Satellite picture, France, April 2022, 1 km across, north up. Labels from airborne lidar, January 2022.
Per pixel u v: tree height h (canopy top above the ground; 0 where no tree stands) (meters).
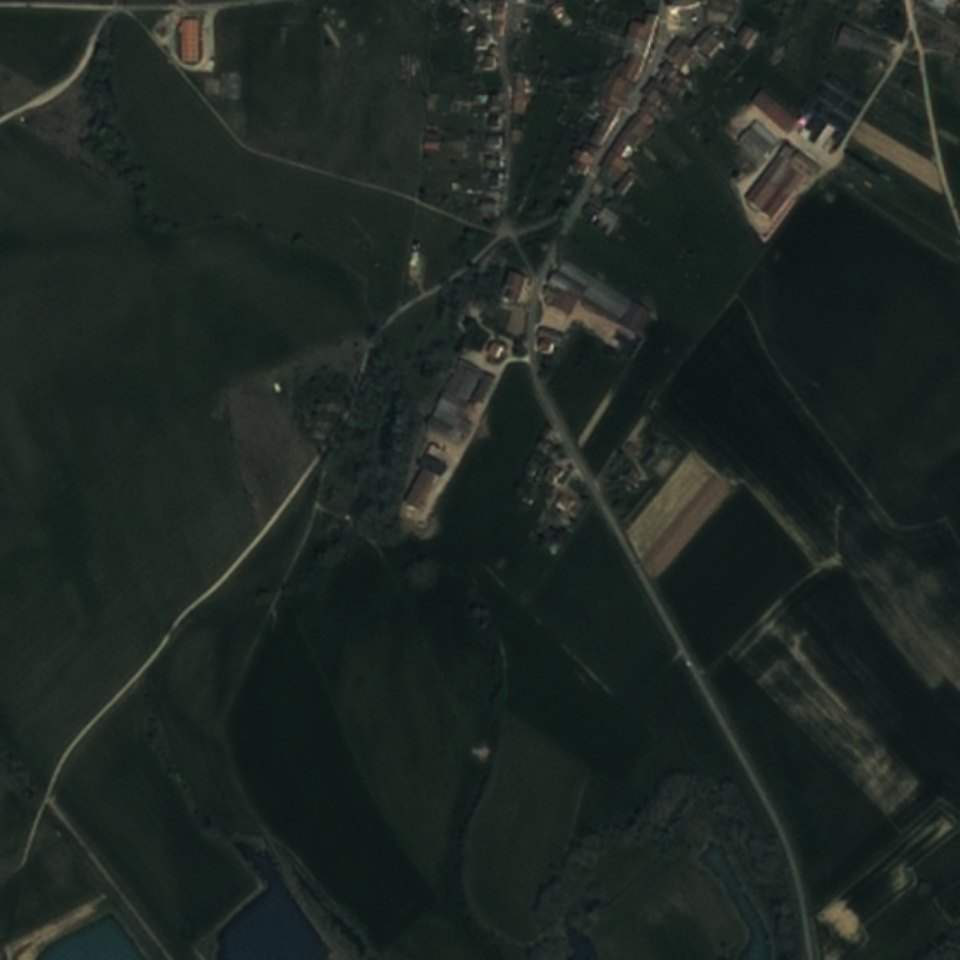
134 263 0
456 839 0
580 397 0
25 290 0
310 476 0
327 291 0
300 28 0
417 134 0
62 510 0
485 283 18
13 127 0
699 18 0
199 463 0
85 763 0
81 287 0
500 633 0
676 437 0
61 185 0
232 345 0
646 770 0
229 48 0
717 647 0
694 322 0
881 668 0
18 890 0
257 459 0
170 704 0
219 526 0
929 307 0
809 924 0
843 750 0
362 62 0
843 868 0
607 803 0
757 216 0
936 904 0
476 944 0
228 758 0
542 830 0
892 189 0
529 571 0
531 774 0
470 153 0
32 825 0
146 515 0
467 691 0
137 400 0
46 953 0
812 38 0
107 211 0
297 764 0
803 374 0
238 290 0
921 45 0
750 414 0
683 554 0
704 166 0
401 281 0
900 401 0
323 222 0
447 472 0
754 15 0
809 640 0
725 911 0
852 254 0
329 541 0
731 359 0
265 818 0
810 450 0
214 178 0
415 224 0
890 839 0
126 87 0
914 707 0
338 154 0
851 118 0
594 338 0
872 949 0
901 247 0
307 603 0
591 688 0
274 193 0
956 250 0
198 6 0
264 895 0
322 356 0
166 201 0
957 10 0
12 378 0
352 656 0
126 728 0
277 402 0
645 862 0
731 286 0
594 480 0
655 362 0
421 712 0
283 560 0
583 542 0
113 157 9
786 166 0
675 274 0
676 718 0
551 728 0
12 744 0
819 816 0
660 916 0
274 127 0
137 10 0
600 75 14
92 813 0
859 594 0
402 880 0
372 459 0
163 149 0
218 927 0
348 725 0
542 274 0
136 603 0
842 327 0
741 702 0
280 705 0
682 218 0
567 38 0
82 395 0
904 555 0
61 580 0
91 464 0
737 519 0
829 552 0
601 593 0
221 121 0
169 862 0
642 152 0
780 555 0
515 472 0
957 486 0
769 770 0
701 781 11
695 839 0
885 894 0
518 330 0
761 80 0
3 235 0
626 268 0
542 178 0
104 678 0
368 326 0
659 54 0
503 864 0
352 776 0
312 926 0
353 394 0
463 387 0
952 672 0
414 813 0
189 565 0
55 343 0
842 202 0
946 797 0
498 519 0
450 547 0
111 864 0
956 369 0
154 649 0
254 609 0
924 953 0
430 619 0
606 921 13
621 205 7
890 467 0
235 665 0
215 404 0
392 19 0
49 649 0
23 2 0
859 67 0
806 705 0
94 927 0
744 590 0
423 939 0
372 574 0
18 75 0
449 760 0
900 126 0
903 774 0
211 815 0
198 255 0
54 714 0
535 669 0
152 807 0
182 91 0
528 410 0
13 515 0
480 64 0
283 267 0
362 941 0
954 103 0
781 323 0
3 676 0
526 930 0
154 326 0
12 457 0
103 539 0
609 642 0
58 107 0
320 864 0
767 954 0
